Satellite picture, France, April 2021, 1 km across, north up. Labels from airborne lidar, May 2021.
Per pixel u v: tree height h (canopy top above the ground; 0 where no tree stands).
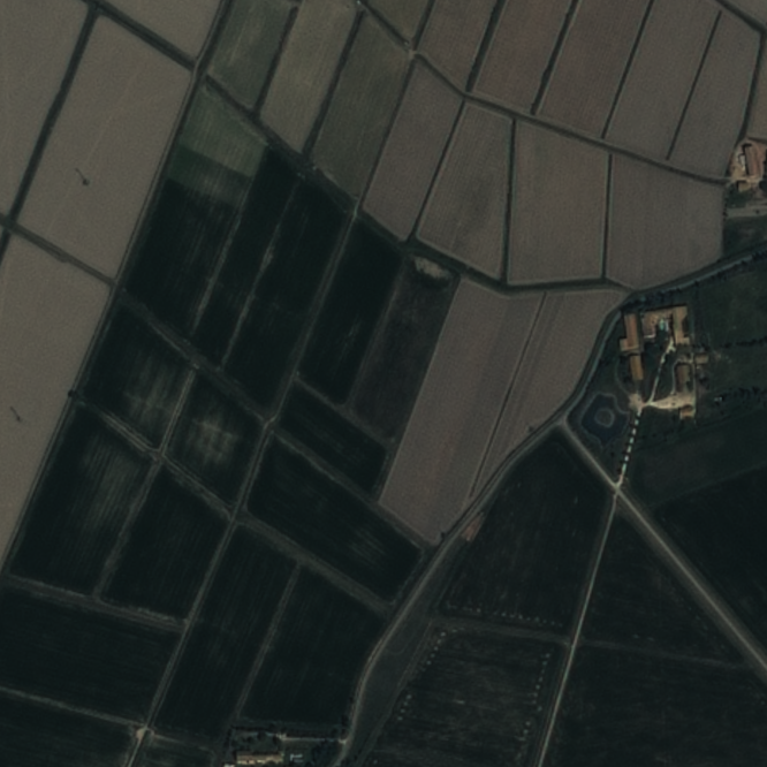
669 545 0
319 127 0
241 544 0
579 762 0
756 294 0
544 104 0
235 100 0
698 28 0
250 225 0
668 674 0
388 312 0
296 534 0
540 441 0
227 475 0
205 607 0
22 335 0
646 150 0
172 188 0
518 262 0
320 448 0
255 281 0
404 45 0
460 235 0
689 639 0
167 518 0
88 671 0
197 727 0
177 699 0
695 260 0
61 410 0
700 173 0
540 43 0
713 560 0
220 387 0
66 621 0
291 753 0
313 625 0
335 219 0
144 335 0
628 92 0
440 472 0
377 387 0
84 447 0
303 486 0
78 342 0
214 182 0
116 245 0
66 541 0
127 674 0
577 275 0
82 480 0
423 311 0
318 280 0
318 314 0
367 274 0
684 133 0
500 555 0
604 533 0
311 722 0
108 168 0
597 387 8
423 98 0
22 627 0
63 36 0
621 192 0
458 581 0
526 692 0
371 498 0
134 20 0
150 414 0
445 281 0
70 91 0
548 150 0
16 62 0
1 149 0
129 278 0
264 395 0
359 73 0
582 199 0
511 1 0
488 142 0
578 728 0
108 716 0
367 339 0
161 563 0
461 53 0
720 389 0
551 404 0
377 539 0
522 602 0
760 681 0
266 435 0
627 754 0
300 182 0
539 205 0
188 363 0
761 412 0
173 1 0
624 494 0
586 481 0
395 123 0
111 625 0
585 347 0
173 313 0
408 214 0
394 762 0
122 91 0
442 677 0
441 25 0
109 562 0
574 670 0
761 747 0
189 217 0
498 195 0
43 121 0
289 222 0
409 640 0
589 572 0
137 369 0
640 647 0
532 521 0
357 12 0
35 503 0
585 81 0
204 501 0
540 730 0
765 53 0
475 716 0
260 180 0
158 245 0
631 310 13
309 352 0
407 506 0
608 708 0
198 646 0
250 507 0
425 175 0
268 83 0
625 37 0
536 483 0
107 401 0
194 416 0
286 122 0
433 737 0
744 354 0
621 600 0
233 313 0
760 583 0
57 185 0
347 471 0
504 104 0
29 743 0
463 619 0
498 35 0
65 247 0
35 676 0
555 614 0
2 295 0
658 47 0
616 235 0
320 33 0
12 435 0
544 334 0
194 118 0
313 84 0
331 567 0
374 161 0
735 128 0
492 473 0
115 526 0
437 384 0
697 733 0
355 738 0
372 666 0
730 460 0
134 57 0
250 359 0
